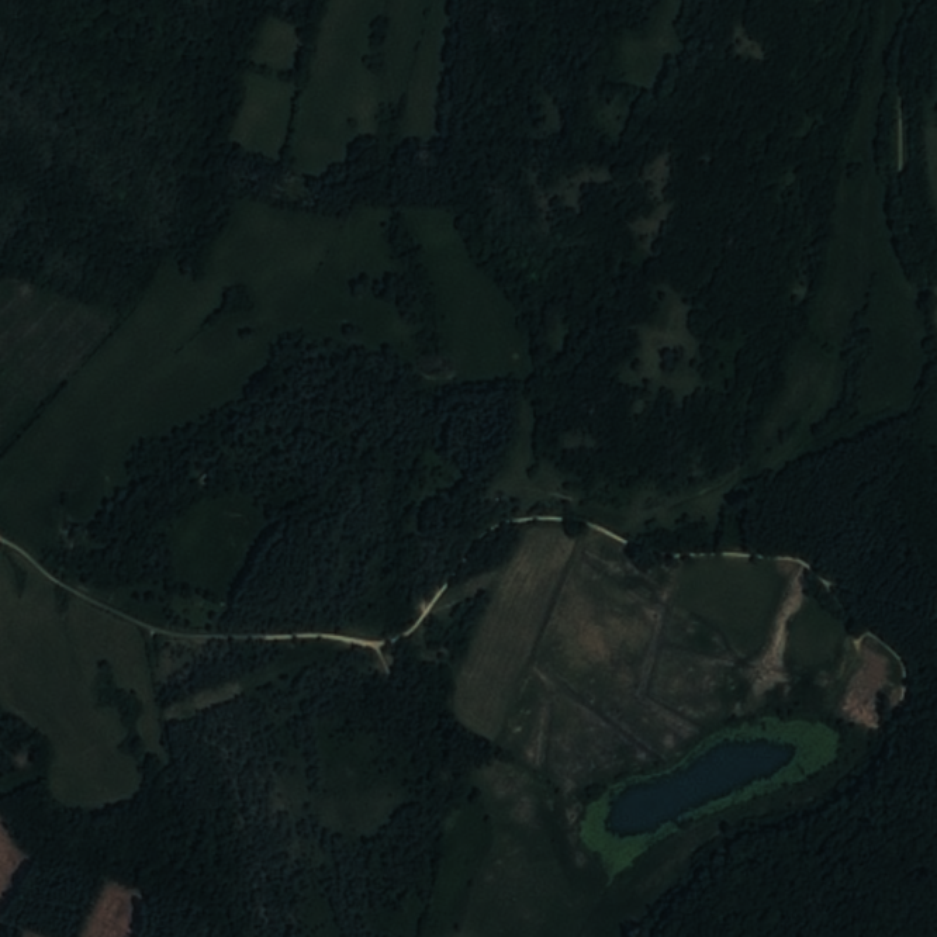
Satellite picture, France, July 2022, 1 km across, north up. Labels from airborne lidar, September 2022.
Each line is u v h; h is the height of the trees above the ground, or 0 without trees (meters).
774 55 13
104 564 10
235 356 0
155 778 15
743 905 22
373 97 0
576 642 0
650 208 10
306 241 0
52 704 0
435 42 0
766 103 15
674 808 0
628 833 0
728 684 0
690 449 15
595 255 15
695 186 15
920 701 22
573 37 17
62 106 6
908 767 22
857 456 21
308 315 0
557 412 11
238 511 0
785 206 11
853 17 13
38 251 8
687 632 0
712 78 11
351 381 20
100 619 0
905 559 9
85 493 0
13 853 0
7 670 0
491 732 0
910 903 13
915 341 0
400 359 16
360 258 0
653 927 8
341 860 12
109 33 20
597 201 12
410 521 9
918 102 8
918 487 9
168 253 12
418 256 17
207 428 8
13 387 0
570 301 19
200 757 19
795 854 26
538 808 0
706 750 0
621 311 11
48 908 25
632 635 0
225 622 17
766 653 0
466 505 15
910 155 7
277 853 13
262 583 21
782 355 17
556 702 0
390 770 11
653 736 0
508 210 7
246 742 8
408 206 15
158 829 19
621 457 17
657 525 7
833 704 0
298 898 16
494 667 0
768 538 20
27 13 11
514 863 0
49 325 0
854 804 25
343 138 0
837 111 10
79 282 8
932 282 7
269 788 11
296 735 14
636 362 9
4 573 0
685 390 0
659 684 0
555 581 0
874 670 0
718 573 0
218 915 20
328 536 17
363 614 7
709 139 11
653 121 13
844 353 7
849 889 26
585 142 16
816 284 17
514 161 8
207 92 16
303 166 0
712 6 9
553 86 13
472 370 0
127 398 0
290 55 0
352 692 15
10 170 12
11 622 0
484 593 16
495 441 26
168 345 0
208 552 0
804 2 12
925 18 14
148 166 8
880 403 0
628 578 0
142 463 9
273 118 0
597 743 0
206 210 17
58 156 10
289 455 18
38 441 0
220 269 0
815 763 0
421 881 16
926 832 17
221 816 15
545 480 0
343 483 18
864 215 0
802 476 16
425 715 18
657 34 0
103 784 0
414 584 9
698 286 8
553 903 0
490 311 0
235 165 26
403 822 17
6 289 0
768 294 18
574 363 12
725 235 7
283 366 14
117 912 0
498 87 13
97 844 18
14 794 15
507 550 17
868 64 13
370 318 0
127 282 14
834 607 15
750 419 16
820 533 14
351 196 21
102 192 7
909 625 23
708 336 9
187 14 13
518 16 11
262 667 9
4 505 0
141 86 13
